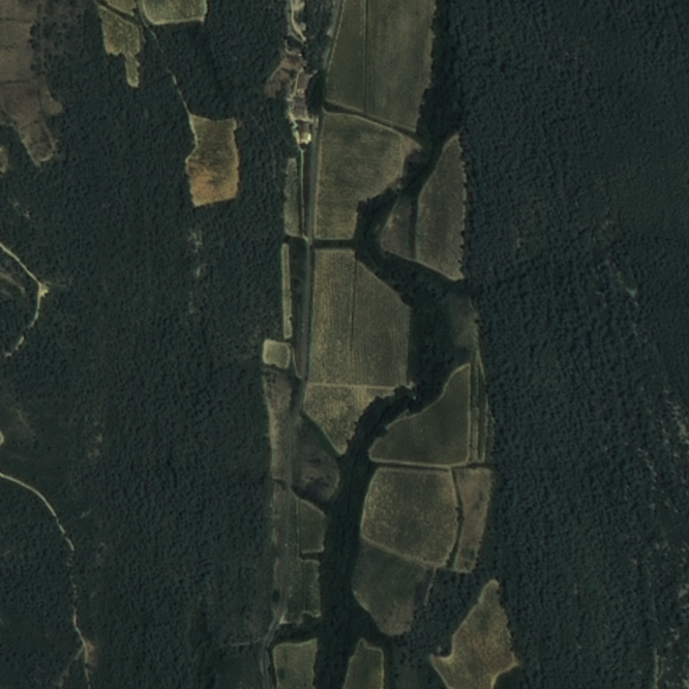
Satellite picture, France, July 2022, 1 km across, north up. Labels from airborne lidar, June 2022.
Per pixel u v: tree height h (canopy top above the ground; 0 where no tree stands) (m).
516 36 9
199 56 12
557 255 16
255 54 13
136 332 10
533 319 9
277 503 0
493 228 15
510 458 16
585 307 13
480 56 18
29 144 0
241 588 11
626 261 12
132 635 17
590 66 12
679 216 9
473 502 0
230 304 14
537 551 13
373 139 0
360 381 0
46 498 7
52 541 8
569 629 7
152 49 12
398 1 0
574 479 12
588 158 11
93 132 7
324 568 11
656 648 12
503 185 15
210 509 15
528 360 13
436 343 12
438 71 17
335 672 14
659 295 11
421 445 0
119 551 12
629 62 9
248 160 11
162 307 11
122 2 0
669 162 10
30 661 9
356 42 0
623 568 12
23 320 10
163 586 18
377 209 9
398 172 0
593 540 9
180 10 0
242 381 14
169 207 13
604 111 16
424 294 21
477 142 17
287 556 0
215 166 0
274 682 8
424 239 0
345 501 9
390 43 0
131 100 13
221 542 16
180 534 12
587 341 9
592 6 18
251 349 8
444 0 11
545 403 12
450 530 0
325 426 0
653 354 7
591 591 7
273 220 14
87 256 9
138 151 9
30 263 8
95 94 9
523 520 8
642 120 11
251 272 10
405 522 0
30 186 8
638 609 8
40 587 10
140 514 16
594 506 11
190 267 10
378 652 0
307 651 0
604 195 10
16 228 9
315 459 0
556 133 18
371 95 0
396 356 0
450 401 0
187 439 10
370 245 13
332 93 0
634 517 8
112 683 11
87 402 11
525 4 14
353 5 0
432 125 16
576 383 17
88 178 7
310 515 0
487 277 18
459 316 0
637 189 11
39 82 0
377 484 0
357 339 0
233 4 9
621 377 11
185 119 13
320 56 17
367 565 0
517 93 15
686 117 9
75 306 10
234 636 12
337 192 0
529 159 13
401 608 0
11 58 0
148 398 15
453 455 0
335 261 0
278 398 0
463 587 12
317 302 0
